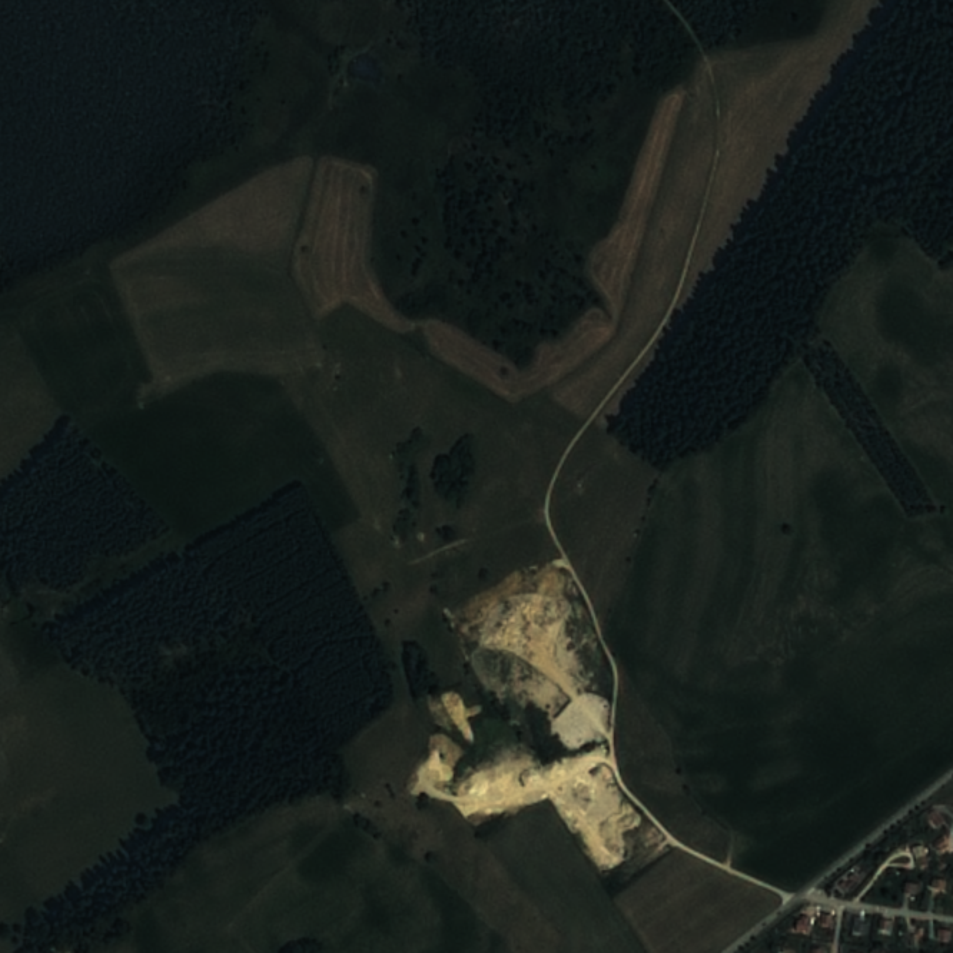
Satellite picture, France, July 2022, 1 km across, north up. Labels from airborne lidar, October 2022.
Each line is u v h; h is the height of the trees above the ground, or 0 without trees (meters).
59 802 0
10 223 7
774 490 0
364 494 0
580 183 0
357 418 0
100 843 0
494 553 0
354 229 0
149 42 8
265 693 17
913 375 0
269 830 0
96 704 0
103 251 0
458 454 14
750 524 0
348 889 0
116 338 0
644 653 0
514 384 0
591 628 0
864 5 0
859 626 0
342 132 0
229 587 17
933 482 0
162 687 9
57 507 27
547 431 0
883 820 0
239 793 25
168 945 0
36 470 26
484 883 0
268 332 0
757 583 0
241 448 0
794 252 25
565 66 9
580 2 12
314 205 0
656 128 0
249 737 26
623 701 0
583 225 0
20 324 0
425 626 0
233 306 0
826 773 0
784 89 0
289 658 17
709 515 0
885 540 0
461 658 0
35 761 0
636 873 0
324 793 13
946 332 0
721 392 31
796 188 24
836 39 0
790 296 23
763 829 0
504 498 0
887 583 0
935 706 0
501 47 11
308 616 18
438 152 0
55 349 0
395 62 0
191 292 0
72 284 0
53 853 0
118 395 0
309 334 0
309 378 0
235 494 0
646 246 0
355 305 0
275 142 0
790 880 0
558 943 0
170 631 29
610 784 0
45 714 0
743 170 0
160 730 8
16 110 8
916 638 0
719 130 0
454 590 0
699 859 0
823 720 0
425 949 0
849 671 0
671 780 0
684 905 0
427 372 0
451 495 14
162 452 0
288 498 15
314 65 0
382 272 0
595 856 0
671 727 0
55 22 7
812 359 17
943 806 0
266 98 0
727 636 0
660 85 8
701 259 0
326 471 0
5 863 0
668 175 0
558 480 0
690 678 0
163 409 0
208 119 11
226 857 0
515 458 0
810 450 0
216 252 0
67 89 9
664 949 0
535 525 0
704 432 26
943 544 0
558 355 0
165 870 33
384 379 0
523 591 0
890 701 0
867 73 33
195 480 0
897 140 34
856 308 0
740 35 23
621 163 0
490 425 0
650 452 20
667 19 15
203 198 0
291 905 0
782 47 0
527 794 0
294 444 0
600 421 0
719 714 0
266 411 0
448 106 0
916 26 29
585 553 0
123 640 28
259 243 0
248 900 0
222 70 10
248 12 7
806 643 0
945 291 0
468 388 0
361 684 20
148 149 8
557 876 0
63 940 25
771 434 0
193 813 17
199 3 10
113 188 7
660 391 19
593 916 0
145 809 0
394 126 0
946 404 0
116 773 0
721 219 0
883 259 0
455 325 0
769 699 0
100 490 30
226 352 0
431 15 11
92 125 7
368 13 0
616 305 0
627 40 13
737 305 27
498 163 14
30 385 0
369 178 0
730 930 0
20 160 9
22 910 0
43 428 0
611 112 0
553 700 0
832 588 0
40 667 0
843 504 0
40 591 0
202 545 17
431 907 0
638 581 0
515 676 0
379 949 0
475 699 0
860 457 0
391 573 0
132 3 9
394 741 0
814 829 0
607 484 0
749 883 0
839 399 17
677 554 0
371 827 14
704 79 0
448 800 0
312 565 17
